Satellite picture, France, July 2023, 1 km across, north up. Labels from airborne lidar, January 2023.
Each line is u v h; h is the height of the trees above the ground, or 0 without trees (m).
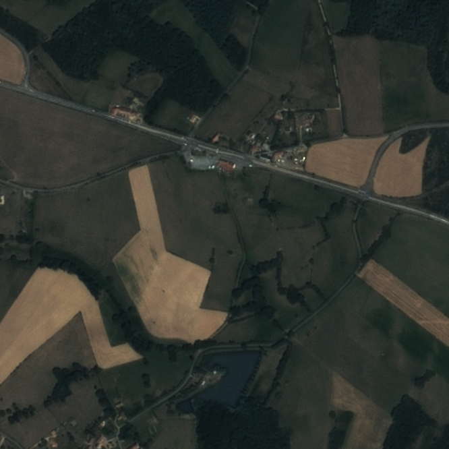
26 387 0
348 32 12
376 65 0
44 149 0
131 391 0
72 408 0
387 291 0
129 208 0
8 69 0
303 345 0
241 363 0
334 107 0
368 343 0
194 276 0
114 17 13
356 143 0
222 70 0
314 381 0
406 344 0
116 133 0
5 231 0
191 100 10
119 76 0
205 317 0
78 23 17
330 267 0
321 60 0
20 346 0
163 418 0
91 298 0
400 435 9
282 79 0
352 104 0
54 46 7
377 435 0
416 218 0
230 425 15
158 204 0
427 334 0
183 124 0
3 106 0
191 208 0
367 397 0
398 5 15
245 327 0
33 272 0
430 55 7
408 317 0
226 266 0
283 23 0
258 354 0
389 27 17
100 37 19
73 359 0
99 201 0
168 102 0
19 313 0
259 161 0
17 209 0
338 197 0
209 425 24
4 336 0
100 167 0
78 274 11
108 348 0
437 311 0
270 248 0
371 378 0
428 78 0
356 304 0
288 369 0
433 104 0
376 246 10
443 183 0
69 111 0
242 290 12
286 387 0
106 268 0
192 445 0
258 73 0
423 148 0
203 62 15
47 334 0
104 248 0
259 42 0
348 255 0
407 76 0
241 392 0
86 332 0
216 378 0
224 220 0
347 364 0
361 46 0
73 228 0
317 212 0
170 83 16
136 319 0
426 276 0
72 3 0
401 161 0
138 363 0
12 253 0
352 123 0
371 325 0
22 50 0
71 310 0
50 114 0
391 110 0
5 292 0
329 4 0
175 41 16
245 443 12
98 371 18
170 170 0
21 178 0
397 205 0
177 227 0
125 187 0
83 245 0
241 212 0
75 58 10
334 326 0
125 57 0
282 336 0
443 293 0
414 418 13
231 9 22
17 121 0
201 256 0
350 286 0
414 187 0
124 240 0
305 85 0
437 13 10
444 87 9
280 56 0
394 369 0
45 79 0
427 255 0
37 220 0
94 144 0
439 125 0
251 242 0
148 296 0
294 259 0
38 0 0
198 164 0
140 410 12
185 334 0
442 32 13
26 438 0
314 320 0
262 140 0
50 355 0
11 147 0
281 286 9
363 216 0
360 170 0
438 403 0
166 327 0
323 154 0
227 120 0
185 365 0
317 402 0
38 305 0
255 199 0
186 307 0
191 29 0
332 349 0
